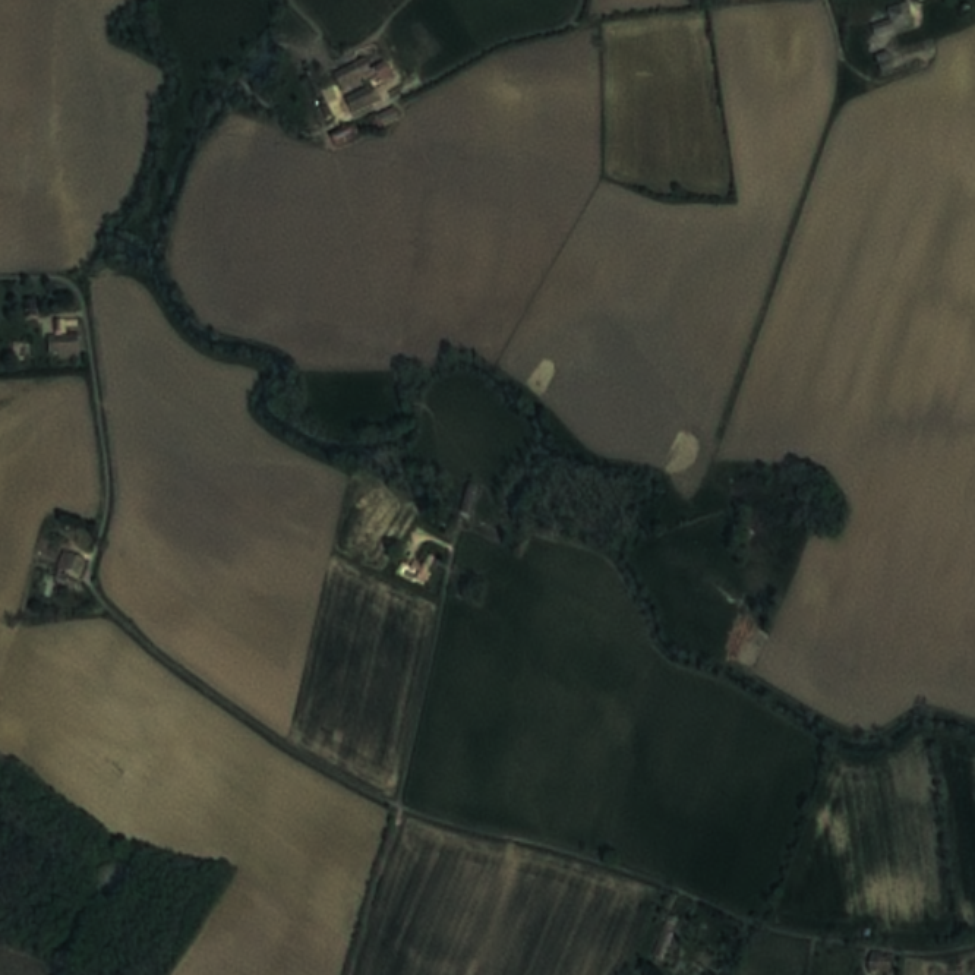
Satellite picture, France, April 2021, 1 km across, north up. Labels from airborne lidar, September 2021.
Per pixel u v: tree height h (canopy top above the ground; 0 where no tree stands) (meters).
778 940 0
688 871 0
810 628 0
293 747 0
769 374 0
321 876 0
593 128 0
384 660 0
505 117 0
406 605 0
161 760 0
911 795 0
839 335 0
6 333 0
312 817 0
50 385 0
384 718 0
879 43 0
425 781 0
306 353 0
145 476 0
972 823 0
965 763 0
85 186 0
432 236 0
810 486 22
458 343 0
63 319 0
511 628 0
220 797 0
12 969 0
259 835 0
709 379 0
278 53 20
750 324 0
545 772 0
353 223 0
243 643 0
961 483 0
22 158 0
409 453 8
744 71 0
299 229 0
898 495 0
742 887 0
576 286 0
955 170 0
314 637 0
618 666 0
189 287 0
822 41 0
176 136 0
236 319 0
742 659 0
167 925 13
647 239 0
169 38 0
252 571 0
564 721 0
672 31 0
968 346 0
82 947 26
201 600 0
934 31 0
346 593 0
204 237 0
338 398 0
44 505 0
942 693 0
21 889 17
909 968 0
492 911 0
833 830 0
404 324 0
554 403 0
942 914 0
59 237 0
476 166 0
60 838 23
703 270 0
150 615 0
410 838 0
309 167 0
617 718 0
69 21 0
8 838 22
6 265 0
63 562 0
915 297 0
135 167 0
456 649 0
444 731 0
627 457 0
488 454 0
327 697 0
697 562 0
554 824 0
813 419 0
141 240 11
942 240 0
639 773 0
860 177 0
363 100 0
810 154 0
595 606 0
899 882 0
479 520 0
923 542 0
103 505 0
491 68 0
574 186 0
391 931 0
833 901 0
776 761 0
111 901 18
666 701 0
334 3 0
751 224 0
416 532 0
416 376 20
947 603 0
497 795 0
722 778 0
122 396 0
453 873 0
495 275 0
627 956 0
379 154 0
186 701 0
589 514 26
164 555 0
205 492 0
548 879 0
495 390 13
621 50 0
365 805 0
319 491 0
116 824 0
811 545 0
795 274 0
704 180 0
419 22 0
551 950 0
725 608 0
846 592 0
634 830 0
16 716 0
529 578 0
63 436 0
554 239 0
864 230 0
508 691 0
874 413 0
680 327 0
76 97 0
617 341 0
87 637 0
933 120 0
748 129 0
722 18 0
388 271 0
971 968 0
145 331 0
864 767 0
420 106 0
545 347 0
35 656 0
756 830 0
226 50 0
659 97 0
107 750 0
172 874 18
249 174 0
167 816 0
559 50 0
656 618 11
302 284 0
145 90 0
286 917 0
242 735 0
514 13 0
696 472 0
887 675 0
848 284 0
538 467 17
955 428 0
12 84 0
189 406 0
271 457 0
